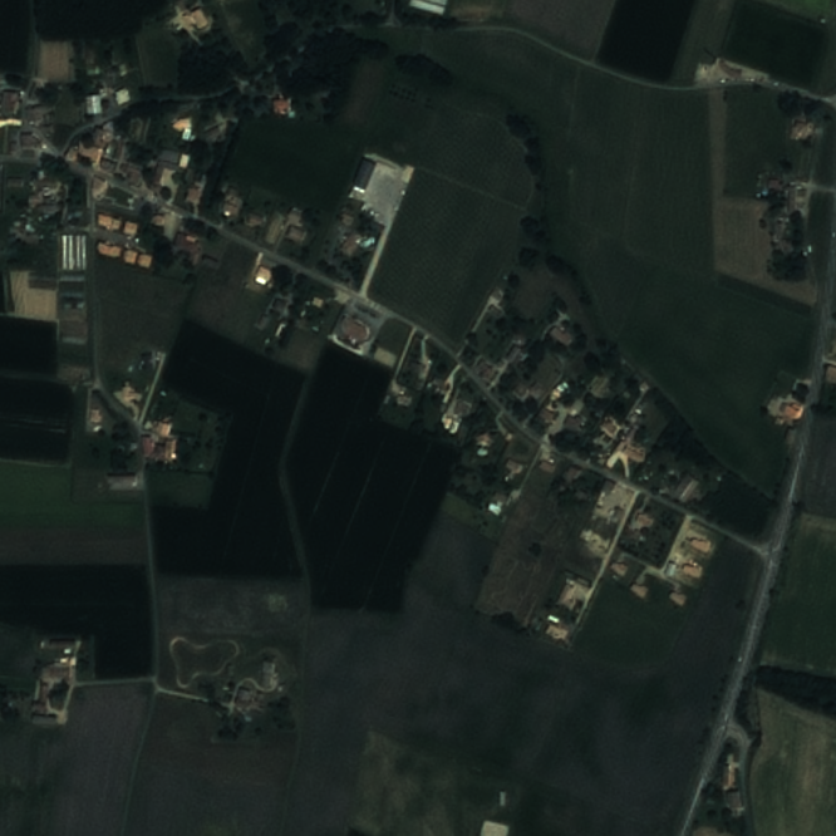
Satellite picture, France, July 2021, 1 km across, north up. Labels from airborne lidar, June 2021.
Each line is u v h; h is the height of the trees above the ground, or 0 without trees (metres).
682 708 0
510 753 0
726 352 0
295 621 0
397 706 0
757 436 0
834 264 0
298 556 0
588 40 0
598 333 0
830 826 0
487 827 0
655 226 0
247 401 0
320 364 0
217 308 0
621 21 0
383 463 0
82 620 0
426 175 0
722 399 0
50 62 0
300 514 0
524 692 0
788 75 0
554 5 0
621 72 0
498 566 0
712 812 9
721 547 0
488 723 0
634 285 0
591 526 0
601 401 8
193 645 0
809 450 0
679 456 11
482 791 0
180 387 0
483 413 6
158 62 0
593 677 0
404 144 0
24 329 0
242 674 0
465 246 0
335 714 0
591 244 0
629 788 0
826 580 0
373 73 0
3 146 0
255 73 9
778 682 13
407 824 0
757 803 0
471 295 0
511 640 0
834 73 0
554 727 0
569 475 0
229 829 0
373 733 0
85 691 0
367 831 0
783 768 0
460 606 0
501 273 0
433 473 0
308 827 0
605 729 0
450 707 0
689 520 0
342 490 0
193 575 0
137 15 16
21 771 0
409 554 0
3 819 0
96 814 0
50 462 0
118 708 0
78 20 20
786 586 0
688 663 0
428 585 0
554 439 14
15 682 0
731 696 0
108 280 0
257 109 14
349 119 0
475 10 0
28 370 0
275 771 0
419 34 0
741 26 0
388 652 0
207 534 0
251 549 0
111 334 0
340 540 0
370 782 0
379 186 0
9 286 0
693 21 0
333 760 0
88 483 0
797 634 0
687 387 0
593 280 0
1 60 0
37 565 0
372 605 0
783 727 0
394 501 0
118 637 0
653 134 0
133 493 0
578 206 0
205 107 10
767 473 0
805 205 0
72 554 0
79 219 0
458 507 0
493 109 0
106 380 0
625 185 0
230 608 0
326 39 20
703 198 0
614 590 0
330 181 0
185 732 0
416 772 0
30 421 0
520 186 0
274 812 0
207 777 0
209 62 21
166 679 0
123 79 0
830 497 0
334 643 0
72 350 0
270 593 0
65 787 0
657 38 0
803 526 0
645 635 0
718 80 0
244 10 0
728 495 8
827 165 0
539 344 12
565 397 8
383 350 0
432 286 0
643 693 0
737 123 0
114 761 0
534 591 0
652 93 0
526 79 0
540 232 19
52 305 0
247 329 0
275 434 0
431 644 0
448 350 0
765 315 0
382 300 0
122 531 0
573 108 0
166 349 0
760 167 0
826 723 0
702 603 0
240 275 0
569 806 0
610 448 0
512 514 0
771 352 0
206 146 12
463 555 0
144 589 0
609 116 0
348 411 0
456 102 0
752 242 0
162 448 0
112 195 0
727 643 0
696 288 0
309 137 0
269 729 0
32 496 0
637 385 14
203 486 0
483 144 0
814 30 0
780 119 0
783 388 0
